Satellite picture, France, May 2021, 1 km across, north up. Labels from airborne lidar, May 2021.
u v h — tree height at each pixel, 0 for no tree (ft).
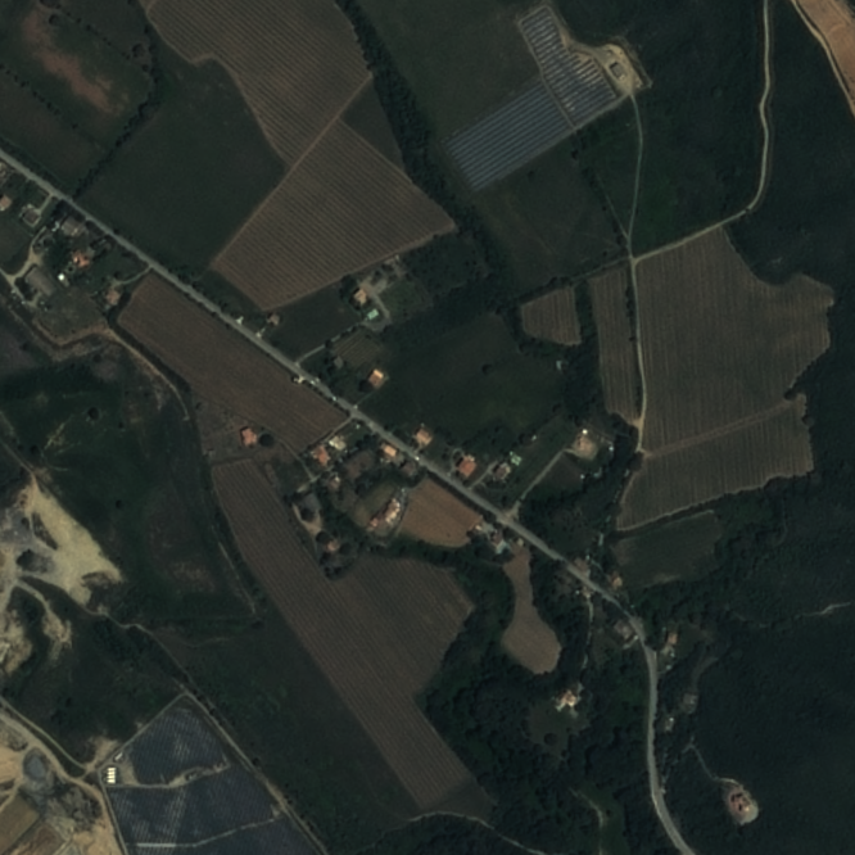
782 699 29
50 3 41
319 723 0
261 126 0
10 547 0
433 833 46
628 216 0
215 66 0
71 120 0
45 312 0
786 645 22
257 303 0
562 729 0
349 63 0
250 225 0
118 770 0
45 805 0
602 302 0
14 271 0
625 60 0
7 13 0
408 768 0
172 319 0
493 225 0
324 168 0
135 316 0
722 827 30
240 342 0
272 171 0
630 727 23
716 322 0
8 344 0
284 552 0
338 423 0
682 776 31
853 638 29
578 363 26
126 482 0
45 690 0
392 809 0
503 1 0
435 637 0
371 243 0
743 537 36
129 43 0
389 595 0
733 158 18
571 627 37
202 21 0
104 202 0
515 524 0
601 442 0
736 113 23
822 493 28
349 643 0
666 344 0
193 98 0
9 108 0
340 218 0
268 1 0
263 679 0
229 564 0
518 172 0
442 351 0
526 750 37
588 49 0
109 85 0
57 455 0
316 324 0
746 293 0
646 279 0
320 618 0
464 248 0
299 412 0
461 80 0
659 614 42
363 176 0
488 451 0
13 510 0
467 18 0
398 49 0
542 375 0
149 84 0
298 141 0
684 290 0
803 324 0
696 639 0
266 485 0
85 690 0
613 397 0
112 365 0
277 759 0
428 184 29
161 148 0
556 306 0
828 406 17
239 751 0
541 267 0
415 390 0
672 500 0
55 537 0
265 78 0
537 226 0
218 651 0
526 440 33
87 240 0
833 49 0
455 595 0
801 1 0
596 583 23
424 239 0
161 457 0
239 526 0
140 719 0
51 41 0
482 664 51
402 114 30
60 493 0
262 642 0
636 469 35
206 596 0
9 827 0
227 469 0
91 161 0
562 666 48
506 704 34
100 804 0
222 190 0
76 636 0
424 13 0
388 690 0
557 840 24
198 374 0
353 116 0
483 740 53
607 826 0
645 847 45
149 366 0
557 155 0
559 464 0
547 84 0
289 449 0
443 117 0
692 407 0
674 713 40
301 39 0
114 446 0
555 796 81
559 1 0
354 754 0
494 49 0
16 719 0
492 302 23
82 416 0
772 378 0
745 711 25
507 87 0
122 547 0
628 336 0
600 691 71
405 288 0
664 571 0
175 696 0
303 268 0
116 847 0
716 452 0
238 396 0
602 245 0
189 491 0
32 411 0
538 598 35
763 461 0
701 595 29
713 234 0
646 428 0
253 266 0
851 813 18
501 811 22
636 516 0
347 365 22
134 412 0
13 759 0
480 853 86
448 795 0
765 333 0
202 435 0
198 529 0
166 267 26
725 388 0
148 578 0
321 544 27
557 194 0
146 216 0
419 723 0
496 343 0
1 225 0
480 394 0
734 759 17
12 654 0
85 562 0
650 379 0
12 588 0
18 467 0
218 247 0
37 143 0
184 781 0
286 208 0
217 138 0
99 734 0
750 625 35
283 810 0
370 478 20
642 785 27
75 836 0
